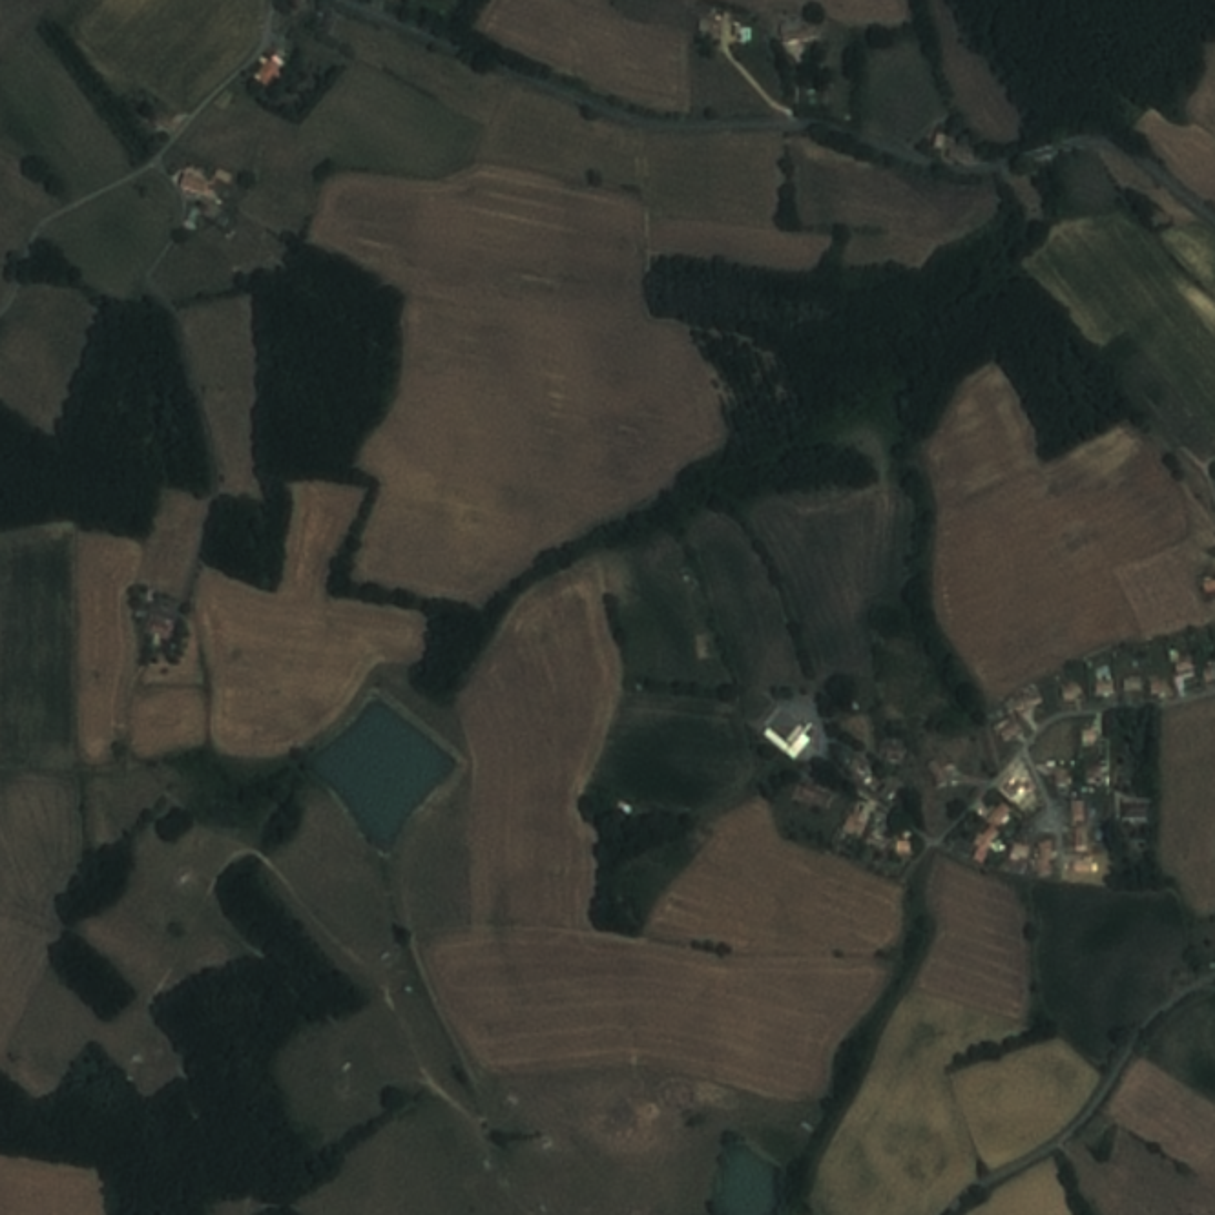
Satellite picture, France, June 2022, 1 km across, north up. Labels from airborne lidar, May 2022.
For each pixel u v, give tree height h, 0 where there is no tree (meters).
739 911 0
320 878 0
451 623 19
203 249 0
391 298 15
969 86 0
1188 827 0
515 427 0
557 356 0
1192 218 0
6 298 0
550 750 0
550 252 0
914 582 14
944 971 0
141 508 15
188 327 0
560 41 0
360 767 0
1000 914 0
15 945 0
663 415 0
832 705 12
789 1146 0
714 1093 0
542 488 0
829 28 0
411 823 0
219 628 0
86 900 14
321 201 0
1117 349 0
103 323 13
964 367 12
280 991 14
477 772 0
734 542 0
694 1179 0
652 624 0
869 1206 0
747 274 13
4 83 0
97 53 0
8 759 0
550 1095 0
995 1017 0
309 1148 13
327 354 12
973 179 7
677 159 0
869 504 0
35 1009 0
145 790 0
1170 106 8
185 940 0
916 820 11
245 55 0
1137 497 0
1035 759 0
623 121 0
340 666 0
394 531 0
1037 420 13
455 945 0
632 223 0
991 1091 0
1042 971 0
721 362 7
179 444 17
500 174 0
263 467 11
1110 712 10
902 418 11
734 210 0
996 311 19
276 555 10
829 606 0
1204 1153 0
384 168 0
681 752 0
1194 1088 0
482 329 0
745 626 0
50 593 0
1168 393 0
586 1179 0
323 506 0
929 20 13
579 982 0
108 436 15
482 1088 0
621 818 18
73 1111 12
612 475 0
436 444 0
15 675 0
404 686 0
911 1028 0
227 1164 14
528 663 0
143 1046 0
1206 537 0
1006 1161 0
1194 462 0
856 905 0
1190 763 0
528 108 0
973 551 0
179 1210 11
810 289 8
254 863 6
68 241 0
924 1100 0
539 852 0
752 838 0
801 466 15
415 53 0
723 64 0
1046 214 7
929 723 8
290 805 17
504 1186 0
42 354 0
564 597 0
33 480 14
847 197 0
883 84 0
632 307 0
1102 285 0
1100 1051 0
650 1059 0
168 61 0
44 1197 0
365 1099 0
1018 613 0
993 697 0
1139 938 0
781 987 0
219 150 0
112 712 0
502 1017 0
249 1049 17
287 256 11
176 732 0
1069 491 0
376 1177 0
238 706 0
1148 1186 0
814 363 14
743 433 21
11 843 0
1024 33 17
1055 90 17
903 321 19
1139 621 0
